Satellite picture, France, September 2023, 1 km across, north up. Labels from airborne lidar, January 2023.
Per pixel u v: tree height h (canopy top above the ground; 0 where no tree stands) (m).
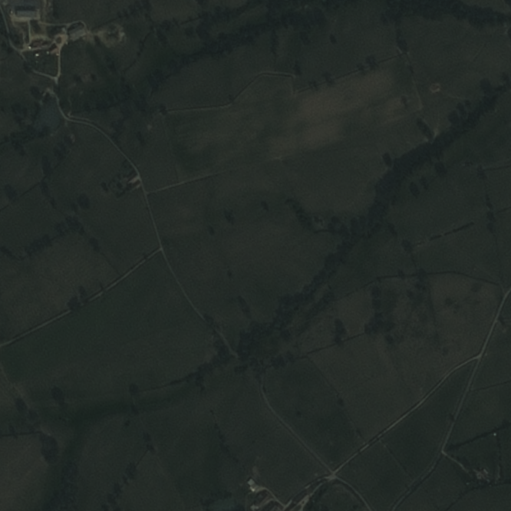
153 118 0
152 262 0
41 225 0
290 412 0
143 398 0
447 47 0
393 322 0
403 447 0
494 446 0
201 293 0
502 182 0
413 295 12
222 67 0
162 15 0
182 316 0
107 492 0
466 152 0
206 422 0
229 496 6
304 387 0
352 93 0
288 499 0
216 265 0
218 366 18
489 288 0
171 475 0
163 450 0
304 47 0
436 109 0
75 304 15
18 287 0
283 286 0
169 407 0
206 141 0
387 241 0
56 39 0
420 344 0
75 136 0
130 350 0
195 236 0
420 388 0
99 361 0
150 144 0
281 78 0
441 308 0
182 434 0
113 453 0
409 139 0
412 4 15
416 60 0
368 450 0
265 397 0
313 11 0
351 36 0
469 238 0
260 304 0
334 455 0
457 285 0
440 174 14
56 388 0
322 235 0
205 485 0
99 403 0
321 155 0
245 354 20
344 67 0
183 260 0
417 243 0
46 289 0
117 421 0
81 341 0
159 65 0
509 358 0
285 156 0
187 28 0
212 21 18
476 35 0
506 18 7
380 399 0
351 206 0
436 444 0
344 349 0
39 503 0
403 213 0
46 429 0
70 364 0
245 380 0
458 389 0
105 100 0
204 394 0
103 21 0
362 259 0
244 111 0
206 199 0
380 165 0
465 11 19
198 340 0
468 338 0
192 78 0
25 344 0
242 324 0
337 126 0
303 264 0
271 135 0
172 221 0
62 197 0
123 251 0
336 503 0
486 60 0
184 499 0
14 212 0
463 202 0
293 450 0
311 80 0
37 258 0
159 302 0
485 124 0
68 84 0
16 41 10
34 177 0
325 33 0
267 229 0
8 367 0
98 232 0
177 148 0
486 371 0
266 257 0
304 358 0
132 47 0
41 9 0
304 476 0
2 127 0
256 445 0
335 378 0
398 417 0
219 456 0
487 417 0
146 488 0
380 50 0
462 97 0
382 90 0
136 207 0
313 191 0
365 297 0
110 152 0
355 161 0
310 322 0
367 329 12
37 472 0
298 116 0
